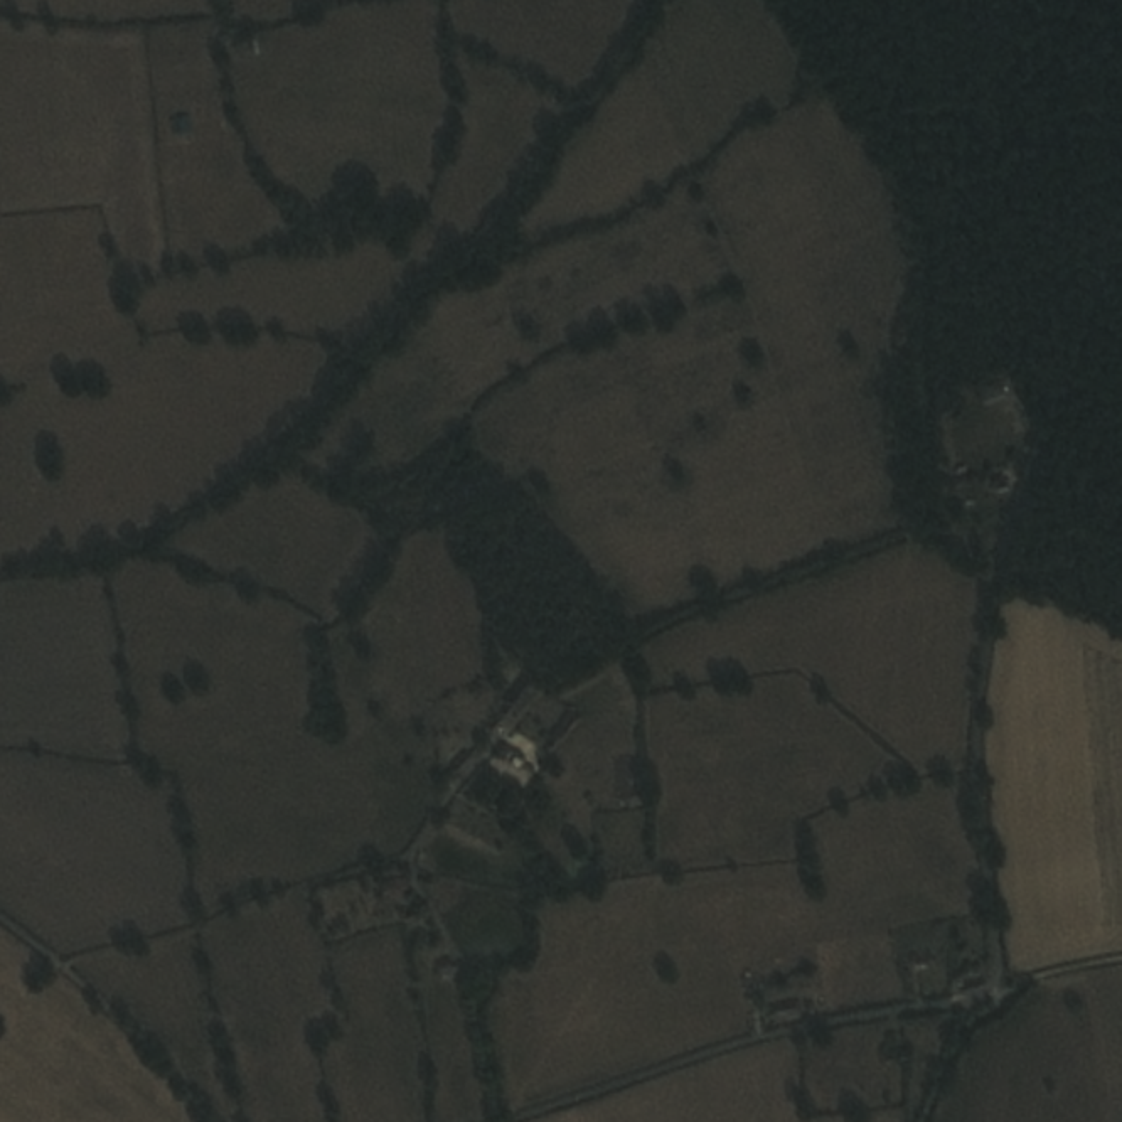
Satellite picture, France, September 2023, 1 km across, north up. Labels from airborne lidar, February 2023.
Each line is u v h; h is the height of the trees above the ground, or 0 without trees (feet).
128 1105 0
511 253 61
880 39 95
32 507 0
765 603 0
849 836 0
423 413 0
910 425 57
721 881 0
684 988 0
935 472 58
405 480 29
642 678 50
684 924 0
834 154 0
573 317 0
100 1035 0
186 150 0
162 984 0
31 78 0
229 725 0
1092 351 97
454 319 0
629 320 67
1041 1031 0
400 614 0
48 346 0
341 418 0
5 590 0
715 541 0
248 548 0
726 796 0
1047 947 0
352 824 0
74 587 0
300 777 0
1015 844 0
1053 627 0
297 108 0
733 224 0
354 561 0
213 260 50
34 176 0
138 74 0
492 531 77
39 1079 0
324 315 0
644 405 0
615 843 0
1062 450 97
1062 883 0
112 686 0
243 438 0
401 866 23
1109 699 0
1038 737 0
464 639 0
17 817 0
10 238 0
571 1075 0
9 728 0
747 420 0
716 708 0
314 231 66
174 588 0
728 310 0
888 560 0
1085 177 119
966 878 0
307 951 0
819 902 0
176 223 0
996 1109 0
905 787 52
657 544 0
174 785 0
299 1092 0
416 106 0
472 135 0
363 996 0
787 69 0
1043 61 108
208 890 0
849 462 0
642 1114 0
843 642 0
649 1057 0
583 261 0
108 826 0
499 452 0
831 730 0
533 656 67
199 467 0
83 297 0
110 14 0
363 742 0
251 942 0
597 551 0
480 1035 58
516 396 0
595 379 0
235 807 0
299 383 0
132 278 70
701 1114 0
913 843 0
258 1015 0
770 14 37
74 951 0
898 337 32
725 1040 0
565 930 0
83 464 0
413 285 55
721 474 0
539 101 0
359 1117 0
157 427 0
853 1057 0
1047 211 114
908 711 0
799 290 0
